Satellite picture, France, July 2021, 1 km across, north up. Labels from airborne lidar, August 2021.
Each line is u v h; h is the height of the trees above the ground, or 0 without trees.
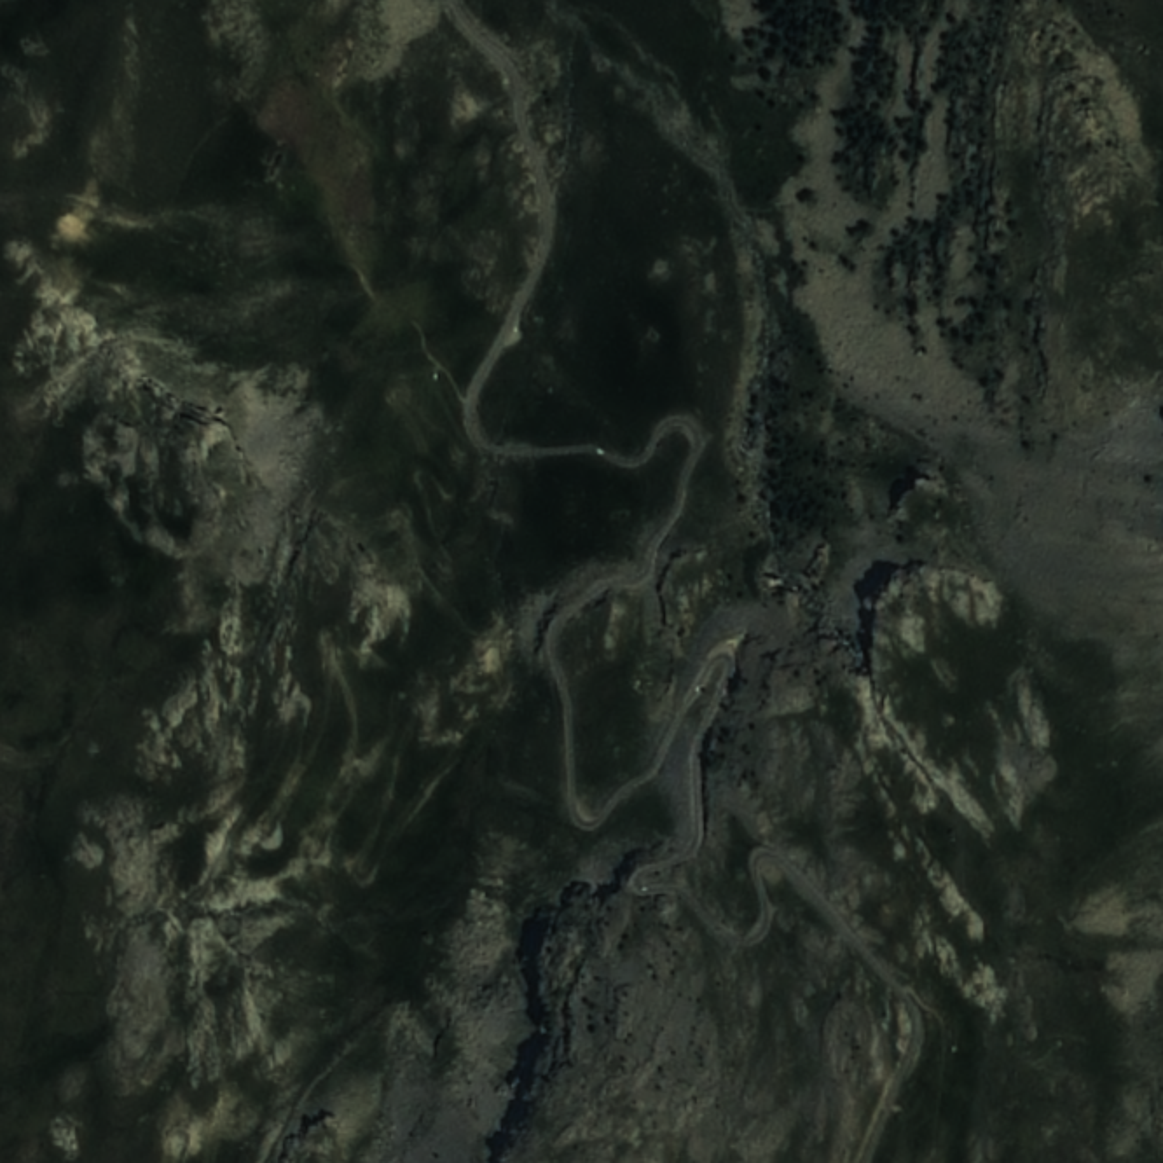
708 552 0
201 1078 0
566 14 0
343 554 0
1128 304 0
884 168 0
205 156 0
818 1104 0
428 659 0
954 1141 0
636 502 0
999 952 0
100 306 0
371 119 0
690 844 0
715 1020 0
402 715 0
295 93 0
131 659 0
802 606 0
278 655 0
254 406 0
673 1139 0
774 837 0
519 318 0
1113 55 0
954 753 0
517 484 0
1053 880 0
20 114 0
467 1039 0
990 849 0
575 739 0
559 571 0
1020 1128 0
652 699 0
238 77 0
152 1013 0
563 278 0
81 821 0
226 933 0
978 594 0
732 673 0
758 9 8
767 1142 0
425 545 0
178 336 0
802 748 0
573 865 0
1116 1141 0
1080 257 0
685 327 0
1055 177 0
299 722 0
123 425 0
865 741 0
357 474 0
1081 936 0
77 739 0
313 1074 0
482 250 0
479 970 0
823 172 0
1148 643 0
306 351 0
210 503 0
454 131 0
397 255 0
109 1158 0
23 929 0
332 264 0
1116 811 0
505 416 0
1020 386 0
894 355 0
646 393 0
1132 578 0
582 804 0
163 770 0
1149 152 0
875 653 0
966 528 0
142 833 0
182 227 0
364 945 0
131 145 0
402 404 0
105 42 0
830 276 0
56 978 0
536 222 0
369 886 0
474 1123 0
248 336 0
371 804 0
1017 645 0
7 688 0
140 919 0
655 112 0
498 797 0
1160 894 0
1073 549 0
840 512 0
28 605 0
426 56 0
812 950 0
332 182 0
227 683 0
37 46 0
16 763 0
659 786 0
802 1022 0
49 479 0
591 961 0
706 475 0
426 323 0
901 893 0
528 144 0
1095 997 0
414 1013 0
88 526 0
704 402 0
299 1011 0
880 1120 0
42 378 0
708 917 0
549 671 0
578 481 0
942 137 0
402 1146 0
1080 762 0
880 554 0
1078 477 0
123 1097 0
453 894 0
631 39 0
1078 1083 0
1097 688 0
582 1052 0
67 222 0
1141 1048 0
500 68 0
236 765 0
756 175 0
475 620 0
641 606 0
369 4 0
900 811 0
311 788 0
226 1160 0
